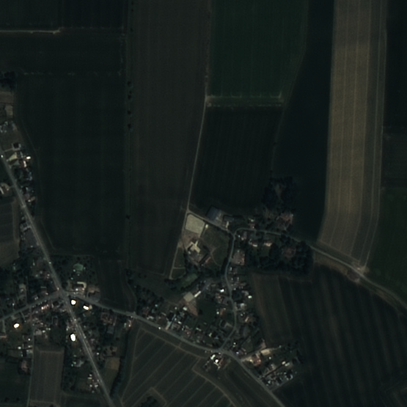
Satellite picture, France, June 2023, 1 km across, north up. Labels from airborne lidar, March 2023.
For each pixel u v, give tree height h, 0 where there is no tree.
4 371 0
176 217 0
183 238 0
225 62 0
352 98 0
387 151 0
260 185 0
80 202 0
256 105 0
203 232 0
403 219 0
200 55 0
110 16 0
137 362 0
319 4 0
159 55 0
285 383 0
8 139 0
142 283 0
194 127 0
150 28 0
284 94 0
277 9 0
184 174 0
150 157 0
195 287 0
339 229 0
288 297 0
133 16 0
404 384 0
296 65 0
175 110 0
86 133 0
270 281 0
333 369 0
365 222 0
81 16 0
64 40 0
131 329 0
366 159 0
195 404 0
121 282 0
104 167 0
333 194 0
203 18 0
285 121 0
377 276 0
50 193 0
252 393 0
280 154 0
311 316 0
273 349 0
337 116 0
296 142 0
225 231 7
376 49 0
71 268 0
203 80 0
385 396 0
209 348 0
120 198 0
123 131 0
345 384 0
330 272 0
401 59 0
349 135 0
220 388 0
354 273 0
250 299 0
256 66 0
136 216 0
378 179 0
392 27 0
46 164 0
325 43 0
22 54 0
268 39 0
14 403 0
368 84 0
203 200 0
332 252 0
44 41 0
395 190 0
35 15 0
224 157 0
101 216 0
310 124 0
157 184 0
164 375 0
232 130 0
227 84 0
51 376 0
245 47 0
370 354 0
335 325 0
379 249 0
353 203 0
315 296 0
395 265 0
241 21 0
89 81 0
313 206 0
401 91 0
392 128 0
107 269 0
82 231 0
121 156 0
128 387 0
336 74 0
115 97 0
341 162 0
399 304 0
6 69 0
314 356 0
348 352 0
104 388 0
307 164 0
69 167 0
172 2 0
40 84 0
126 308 0
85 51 0
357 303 0
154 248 0
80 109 0
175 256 0
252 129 0
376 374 0
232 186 0
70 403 0
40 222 0
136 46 0
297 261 9
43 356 0
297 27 0
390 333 0
